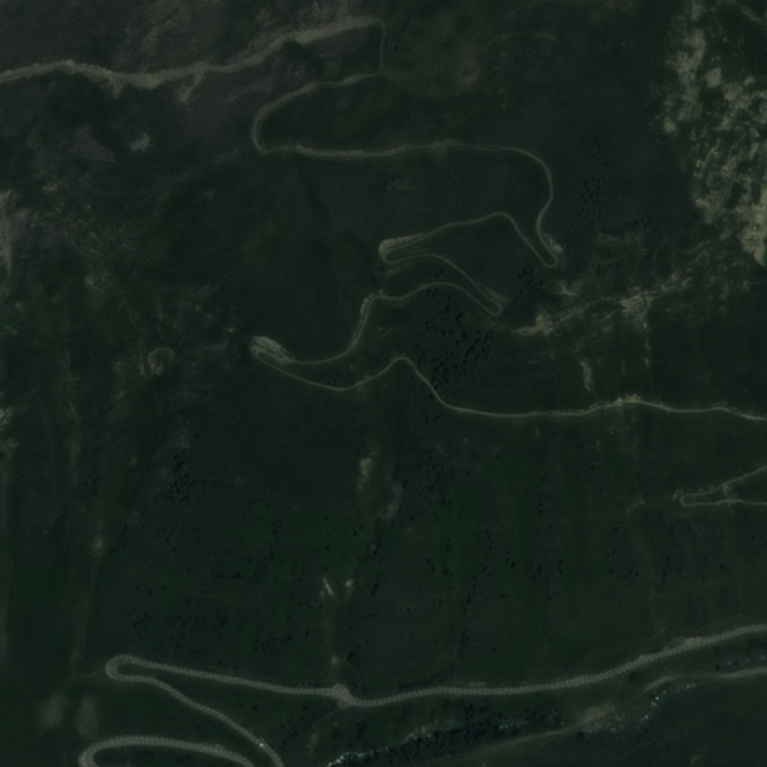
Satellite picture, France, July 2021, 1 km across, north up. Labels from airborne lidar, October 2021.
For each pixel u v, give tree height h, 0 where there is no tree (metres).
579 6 0
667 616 0
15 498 0
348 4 0
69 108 0
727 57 0
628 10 0
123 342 0
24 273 0
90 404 0
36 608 0
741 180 0
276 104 0
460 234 0
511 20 0
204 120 0
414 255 0
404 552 0
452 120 0
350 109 0
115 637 0
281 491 0
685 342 0
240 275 0
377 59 0
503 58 0
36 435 0
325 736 0
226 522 0
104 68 0
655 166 0
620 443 0
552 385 0
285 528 0
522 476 0
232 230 0
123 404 0
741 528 0
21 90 0
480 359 7
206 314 0
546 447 0
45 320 0
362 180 0
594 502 0
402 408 0
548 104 0
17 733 0
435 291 7
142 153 0
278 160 0
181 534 0
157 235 0
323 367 0
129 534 0
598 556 0
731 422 0
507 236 0
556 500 0
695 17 0
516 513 0
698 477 0
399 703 0
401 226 0
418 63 0
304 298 0
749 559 0
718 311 0
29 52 0
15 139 0
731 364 0
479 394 0
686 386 0
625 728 0
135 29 0
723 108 0
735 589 0
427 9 0
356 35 0
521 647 0
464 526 0
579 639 0
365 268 0
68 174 0
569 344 0
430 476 0
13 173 0
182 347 0
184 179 0
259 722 0
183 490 14
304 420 0
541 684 0
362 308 0
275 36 0
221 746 0
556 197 0
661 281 0
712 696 0
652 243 0
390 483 0
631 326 0
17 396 0
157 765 0
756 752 0
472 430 0
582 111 0
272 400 0
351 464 0
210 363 0
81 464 0
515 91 0
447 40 0
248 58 0
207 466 0
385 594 0
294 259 0
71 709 0
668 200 0
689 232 0
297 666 0
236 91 0
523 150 0
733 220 0
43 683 0
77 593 0
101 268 0
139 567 0
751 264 0
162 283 0
